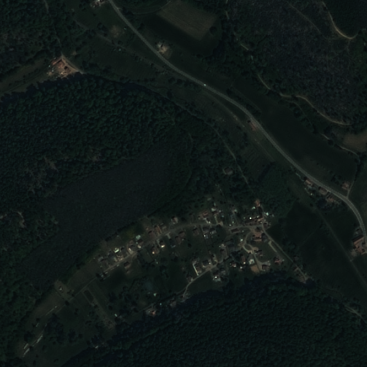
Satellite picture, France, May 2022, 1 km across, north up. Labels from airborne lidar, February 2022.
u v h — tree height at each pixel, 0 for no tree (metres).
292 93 34
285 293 34
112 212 24
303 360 27
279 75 29
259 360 31
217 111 0
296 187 0
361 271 0
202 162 27
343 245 0
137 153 19
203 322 29
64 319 0
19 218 24
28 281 23
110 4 0
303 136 0
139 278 0
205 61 10
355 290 0
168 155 17
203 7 9
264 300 32
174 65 0
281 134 0
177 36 0
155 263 0
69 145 29
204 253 0
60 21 19
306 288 30
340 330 33
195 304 25
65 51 0
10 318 31
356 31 12
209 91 0
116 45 0
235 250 0
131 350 31
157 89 0
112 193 20
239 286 0
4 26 25
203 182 23
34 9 30
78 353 0
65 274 18
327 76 23
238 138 0
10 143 28
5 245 25
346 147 0
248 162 0
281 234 0
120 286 0
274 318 30
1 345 34
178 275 0
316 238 0
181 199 28
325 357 24
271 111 0
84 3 8
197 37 0
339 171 0
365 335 35
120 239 0
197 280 0
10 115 31
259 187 24
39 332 0
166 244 0
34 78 0
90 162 25
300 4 16
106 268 0
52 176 28
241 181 22
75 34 7
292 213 0
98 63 0
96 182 18
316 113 26
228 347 33
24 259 16
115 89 34
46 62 9
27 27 25
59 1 19
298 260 8
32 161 24
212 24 0
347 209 6
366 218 0
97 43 0
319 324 35
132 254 0
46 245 19
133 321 0
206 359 27
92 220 19
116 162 21
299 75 27
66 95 30
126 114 33
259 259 0
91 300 0
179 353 26
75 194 18
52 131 27
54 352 0
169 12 0
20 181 27
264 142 0
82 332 0
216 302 30
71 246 22
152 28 0
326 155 0
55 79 0
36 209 22
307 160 0
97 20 0
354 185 0
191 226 0
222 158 25
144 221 0
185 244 0
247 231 0
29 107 34
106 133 34
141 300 0
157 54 0
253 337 29
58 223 20
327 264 0
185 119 23
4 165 27
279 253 0
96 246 22
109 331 0
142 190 20
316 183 0
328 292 0
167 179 18
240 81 0
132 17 22
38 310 0
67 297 0
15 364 21
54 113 32
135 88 15
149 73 0
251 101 0
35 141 30
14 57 10
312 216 0
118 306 0
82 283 0
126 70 0
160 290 0
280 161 0
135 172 21
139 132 28
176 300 8
